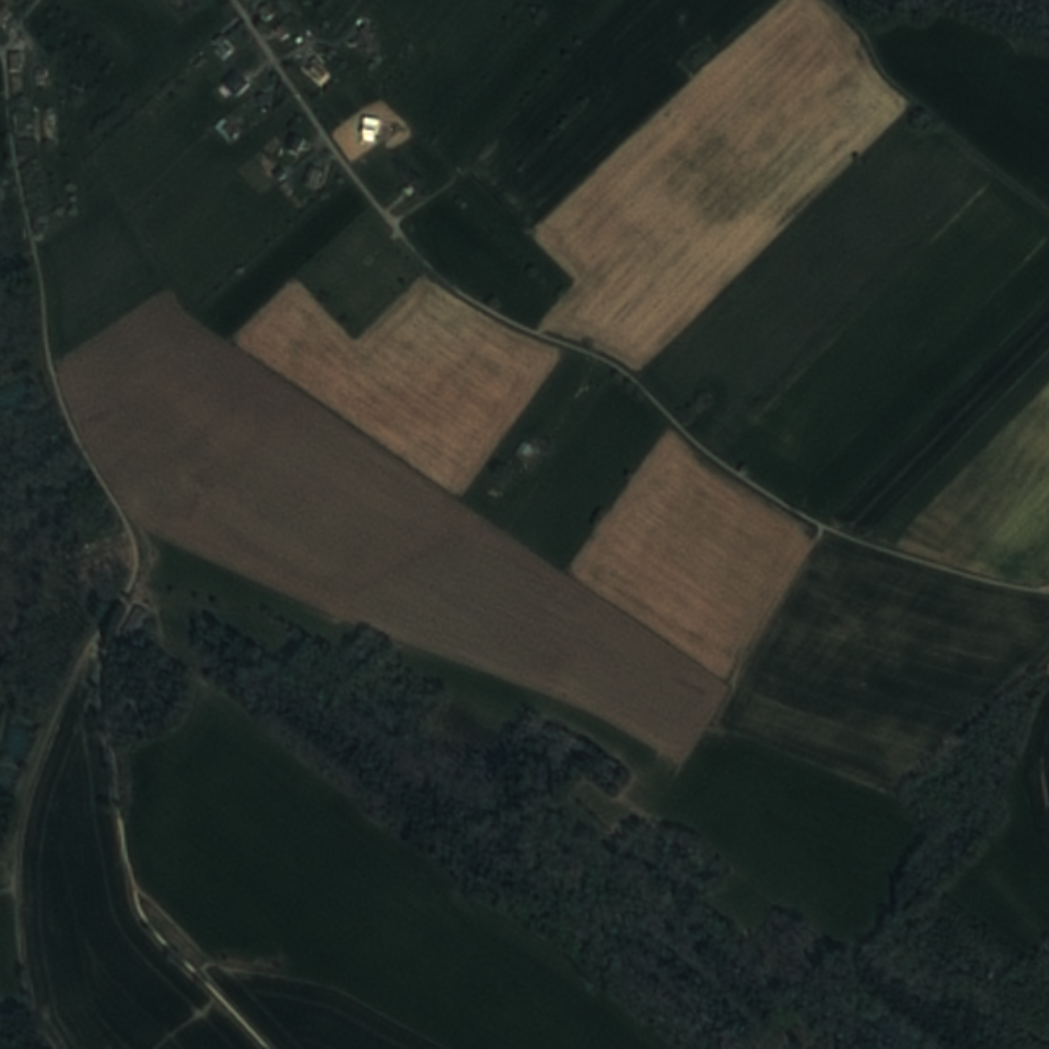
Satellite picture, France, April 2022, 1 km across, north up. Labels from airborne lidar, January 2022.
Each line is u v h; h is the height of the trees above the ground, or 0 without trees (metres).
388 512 0
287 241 0
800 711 0
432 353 0
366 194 0
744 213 0
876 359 0
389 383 0
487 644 0
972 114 0
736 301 0
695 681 0
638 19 0
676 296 0
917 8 24
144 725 27
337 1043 0
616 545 0
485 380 0
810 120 0
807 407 0
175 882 0
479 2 0
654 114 0
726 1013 31
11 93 0
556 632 0
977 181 0
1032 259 0
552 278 0
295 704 26
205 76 0
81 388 0
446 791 32
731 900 0
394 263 0
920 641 0
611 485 0
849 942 0
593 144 0
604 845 24
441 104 0
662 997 24
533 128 0
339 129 0
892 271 0
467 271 0
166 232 0
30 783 0
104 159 0
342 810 0
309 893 0
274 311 0
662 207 0
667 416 0
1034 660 0
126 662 18
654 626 0
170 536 0
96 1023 0
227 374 0
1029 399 0
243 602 0
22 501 30
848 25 0
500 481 19
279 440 0
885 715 0
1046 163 0
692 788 0
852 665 0
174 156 0
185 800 0
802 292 0
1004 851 0
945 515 0
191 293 0
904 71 0
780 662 0
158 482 0
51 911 0
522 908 15
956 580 0
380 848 0
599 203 0
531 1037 0
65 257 0
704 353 0
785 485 0
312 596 0
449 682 0
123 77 0
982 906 0
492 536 0
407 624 0
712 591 0
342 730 27
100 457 0
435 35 0
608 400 0
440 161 0
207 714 0
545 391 0
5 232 26
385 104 0
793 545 0
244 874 0
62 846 0
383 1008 0
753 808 0
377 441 0
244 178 0
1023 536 0
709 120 0
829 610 0
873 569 0
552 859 19
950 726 0
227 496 0
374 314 0
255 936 0
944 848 17
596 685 0
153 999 0
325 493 0
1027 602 0
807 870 0
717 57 0
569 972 0
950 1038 20
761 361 0
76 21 13
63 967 0
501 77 0
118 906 0
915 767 0
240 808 0
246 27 8
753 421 0
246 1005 0
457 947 0
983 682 0
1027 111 0
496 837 25
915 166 0
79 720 0
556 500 0
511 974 0
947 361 0
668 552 0
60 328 0
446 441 0
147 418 0
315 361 0
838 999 30
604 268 0
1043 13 27
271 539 0
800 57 0
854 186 0
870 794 0
